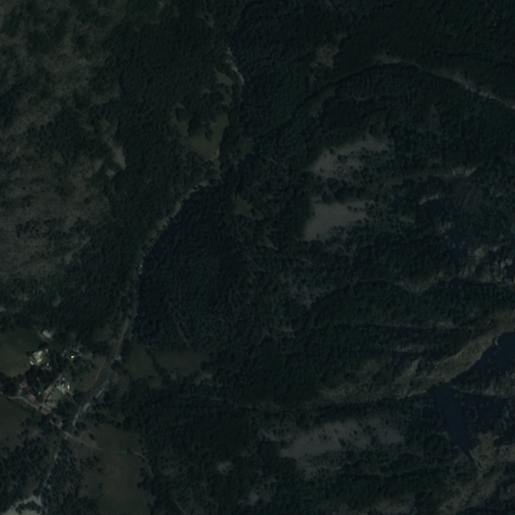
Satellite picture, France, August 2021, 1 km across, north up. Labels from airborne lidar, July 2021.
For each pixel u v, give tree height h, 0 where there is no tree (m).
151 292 28
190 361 0
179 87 34
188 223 23
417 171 15
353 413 12
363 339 7
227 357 23
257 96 30
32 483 0
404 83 25
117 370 24
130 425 23
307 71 12
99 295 13
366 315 12
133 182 26
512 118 6
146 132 23
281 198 28
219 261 23
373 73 24
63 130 21
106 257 27
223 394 15
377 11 12
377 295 18
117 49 10
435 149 8
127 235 21
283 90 31
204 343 33
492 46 15
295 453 0
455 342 9
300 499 16
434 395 6
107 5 10
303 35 14
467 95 9
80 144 19
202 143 0
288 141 32
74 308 16
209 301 20
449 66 18
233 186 24
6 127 10
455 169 8
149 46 22
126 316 8
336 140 21
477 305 11
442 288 7
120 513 0
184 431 16
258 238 11
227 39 16
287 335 11
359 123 24
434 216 10
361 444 0
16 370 0
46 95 17
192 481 9
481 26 11
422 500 20
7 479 12
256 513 20
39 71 8
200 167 8
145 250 18
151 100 30
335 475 6
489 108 8
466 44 9
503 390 6
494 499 8
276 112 26
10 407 0
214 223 29
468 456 6
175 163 12
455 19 13
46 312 11
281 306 9
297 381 21
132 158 20
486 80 14
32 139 10
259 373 26
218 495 21
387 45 17
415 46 17
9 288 9
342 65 20
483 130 13
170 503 13
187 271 20
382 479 10
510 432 10
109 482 0
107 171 11
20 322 18
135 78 32
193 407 11
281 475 11
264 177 31
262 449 18
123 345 0
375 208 9
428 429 19
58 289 8
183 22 22
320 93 13
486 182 9
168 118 9
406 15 18
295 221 21
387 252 13
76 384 0
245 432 20
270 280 17
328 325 12
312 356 19
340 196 18
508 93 14
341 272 20
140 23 12
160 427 21
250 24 23
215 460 14
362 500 15
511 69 16
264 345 24
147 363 0
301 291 9
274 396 10
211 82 25
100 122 28
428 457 8
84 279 11
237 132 20
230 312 18
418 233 14
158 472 8
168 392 8
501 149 13
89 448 0
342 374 7
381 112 16
